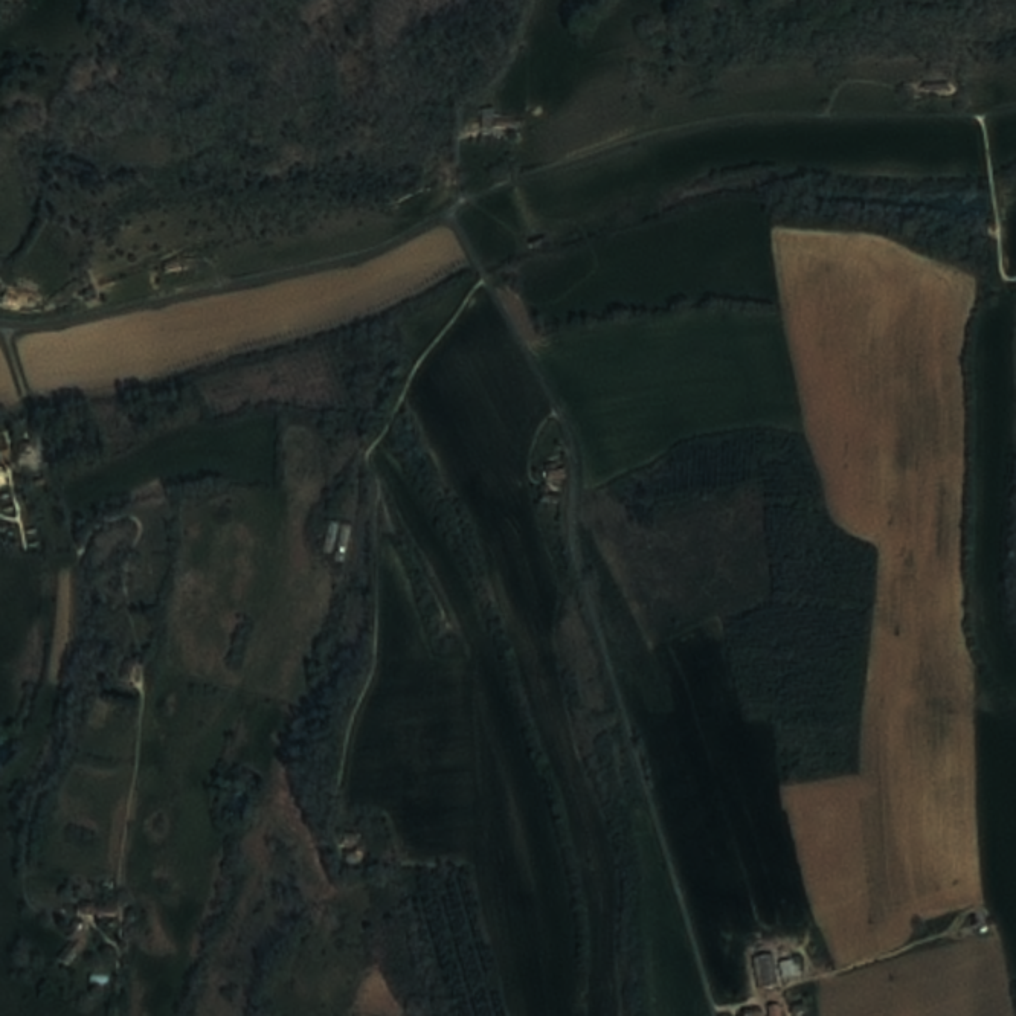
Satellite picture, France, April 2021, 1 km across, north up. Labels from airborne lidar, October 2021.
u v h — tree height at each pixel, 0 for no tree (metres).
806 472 9
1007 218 0
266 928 0
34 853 6
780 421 0
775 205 16
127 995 12
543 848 0
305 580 0
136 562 11
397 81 24
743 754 0
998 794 0
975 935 0
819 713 9
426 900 10
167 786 0
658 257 0
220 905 11
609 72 0
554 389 0
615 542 0
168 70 19
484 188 0
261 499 0
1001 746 0
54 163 18
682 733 0
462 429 0
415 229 0
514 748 0
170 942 0
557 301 0
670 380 0
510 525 0
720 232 0
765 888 0
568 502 0
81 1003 13
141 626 0
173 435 0
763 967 0
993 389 0
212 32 18
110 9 16
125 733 0
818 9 22
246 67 16
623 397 0
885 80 0
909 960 0
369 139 15
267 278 0
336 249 0
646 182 0
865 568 7
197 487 15
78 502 0
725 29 17
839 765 10
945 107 0
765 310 14
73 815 0
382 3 23
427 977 15
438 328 0
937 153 0
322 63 21
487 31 28
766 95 0
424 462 8
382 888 12
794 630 11
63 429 30
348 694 17
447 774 0
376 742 0
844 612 10
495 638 9
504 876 0
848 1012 0
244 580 0
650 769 8
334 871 18
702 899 0
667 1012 0
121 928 9
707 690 0
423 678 0
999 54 8
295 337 12
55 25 0
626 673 0
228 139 19
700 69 7
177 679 0
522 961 0
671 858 0
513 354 0
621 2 11
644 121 0
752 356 0
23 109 16
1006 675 0
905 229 22
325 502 7
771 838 0
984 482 0
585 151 0
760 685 9
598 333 0
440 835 0
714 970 0
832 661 9
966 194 9
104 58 17
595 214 0
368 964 0
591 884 0
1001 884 0
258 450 0
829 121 0
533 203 0
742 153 0
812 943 0
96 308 0
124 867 0
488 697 0
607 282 0
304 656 0
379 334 20
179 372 11
